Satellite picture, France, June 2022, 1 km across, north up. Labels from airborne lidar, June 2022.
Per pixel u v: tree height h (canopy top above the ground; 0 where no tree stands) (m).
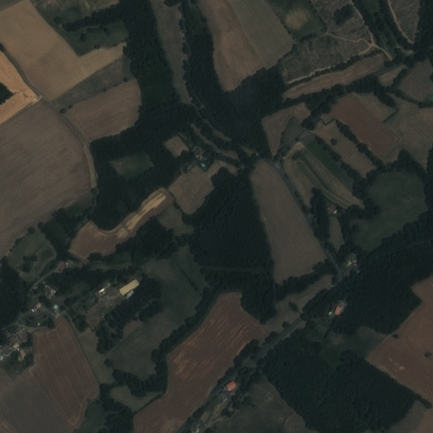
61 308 8
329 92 9
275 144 0
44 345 0
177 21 0
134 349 0
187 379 0
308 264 0
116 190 17
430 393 0
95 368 0
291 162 0
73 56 0
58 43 0
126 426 25
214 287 20
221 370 0
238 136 16
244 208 25
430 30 13
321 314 8
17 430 0
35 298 0
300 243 0
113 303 0
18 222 0
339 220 8
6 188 0
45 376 0
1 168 0
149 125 19
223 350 0
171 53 0
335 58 0
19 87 0
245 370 9
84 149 0
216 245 28
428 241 13
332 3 0
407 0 0
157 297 20
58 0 0
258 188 0
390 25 22
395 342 0
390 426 17
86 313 7
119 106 0
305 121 14
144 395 15
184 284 0
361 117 0
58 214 17
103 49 0
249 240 27
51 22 0
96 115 0
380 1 20
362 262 23
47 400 0
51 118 0
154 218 11
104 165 10
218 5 0
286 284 14
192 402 0
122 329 27
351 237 7
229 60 0
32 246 0
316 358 16
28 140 0
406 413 18
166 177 15
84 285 0
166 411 0
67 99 0
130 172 0
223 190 21
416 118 0
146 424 0
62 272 6
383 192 0
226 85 0
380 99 18
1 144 0
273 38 0
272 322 0
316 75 9
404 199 0
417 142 0
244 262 23
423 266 9
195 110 17
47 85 0
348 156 0
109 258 12
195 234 8
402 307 14
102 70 0
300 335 23
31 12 0
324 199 6
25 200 0
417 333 0
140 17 24
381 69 0
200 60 14
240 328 0
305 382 16
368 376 21
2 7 0
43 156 0
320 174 0
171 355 0
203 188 0
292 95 0
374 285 16
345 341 0
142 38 20
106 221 16
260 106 16
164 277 0
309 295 0
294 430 0
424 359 0
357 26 0
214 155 18
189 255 0
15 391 0
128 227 0
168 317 0
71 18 0
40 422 0
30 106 0
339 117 0
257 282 8
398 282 12
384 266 19
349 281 22
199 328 0
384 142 0
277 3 0
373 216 17
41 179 0
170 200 0
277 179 0
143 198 12
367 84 19
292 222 0
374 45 0
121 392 0
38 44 0
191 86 13
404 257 24
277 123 0
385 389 16
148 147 14
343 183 0
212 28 0
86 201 0
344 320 16
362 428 16
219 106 18
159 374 20
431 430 0
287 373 25
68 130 0
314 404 23
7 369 0
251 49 0
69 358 0
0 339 12
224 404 0
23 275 0
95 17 20
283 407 0
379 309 12
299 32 0
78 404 0
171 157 23
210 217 14
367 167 0
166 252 21
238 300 0
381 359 0
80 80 0
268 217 0
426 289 0
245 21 0
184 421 0
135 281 0
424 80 0
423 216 22
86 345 0
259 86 12
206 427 0
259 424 0
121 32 0
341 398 17
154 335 0
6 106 0
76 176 0
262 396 0
